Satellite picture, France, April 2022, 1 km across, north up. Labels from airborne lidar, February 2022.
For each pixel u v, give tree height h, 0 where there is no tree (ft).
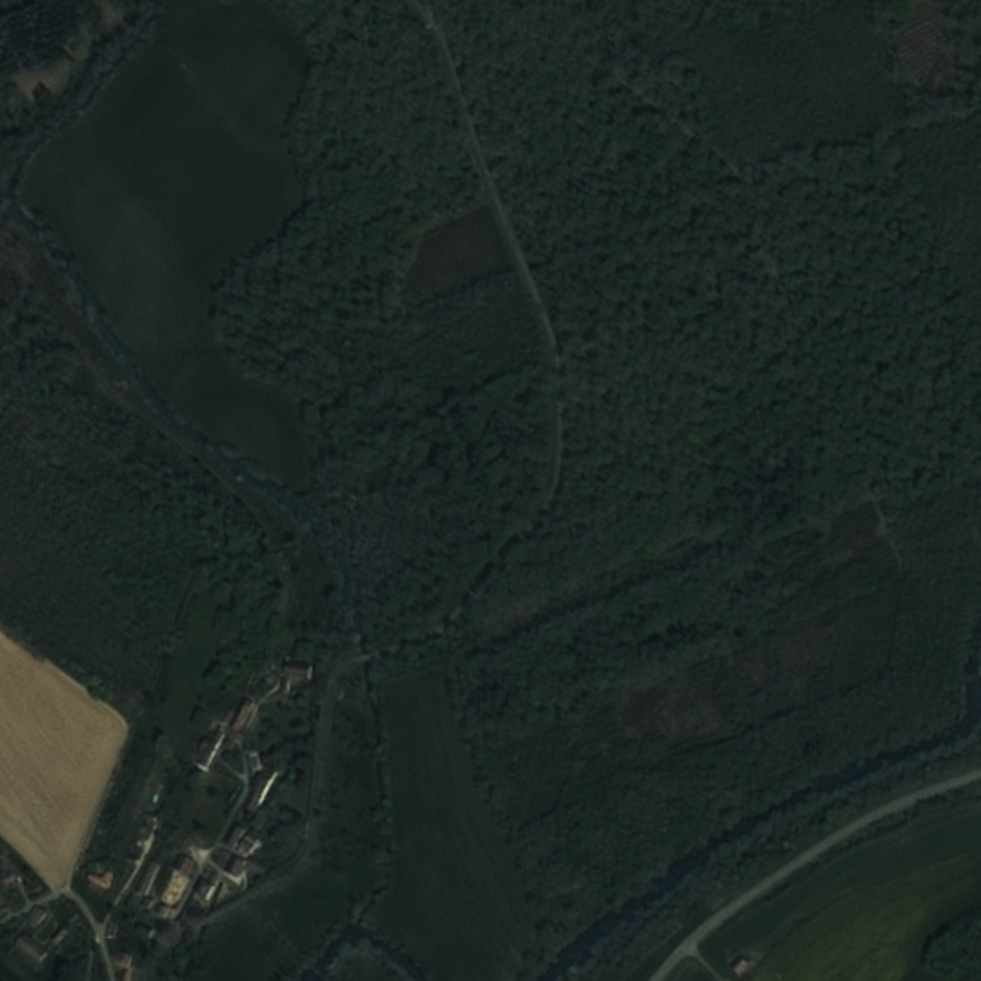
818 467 73
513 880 0
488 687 70
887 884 0
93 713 0
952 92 0
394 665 60
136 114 0
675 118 73
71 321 0
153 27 58
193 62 0
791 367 85
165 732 0
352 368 71
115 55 71
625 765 23
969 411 66
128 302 0
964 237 44
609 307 76
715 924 0
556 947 63
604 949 51
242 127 0
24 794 0
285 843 29
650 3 85
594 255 89
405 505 75
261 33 0
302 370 90
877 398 77
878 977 0
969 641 29
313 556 0
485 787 60
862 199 75
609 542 73
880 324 64
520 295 37
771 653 20
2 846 0
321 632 63
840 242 67
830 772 52
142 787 0
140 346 0
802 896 0
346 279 78
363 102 81
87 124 0
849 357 75
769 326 81
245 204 0
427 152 62
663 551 87
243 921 0
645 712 0
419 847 0
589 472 70
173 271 0
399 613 86
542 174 72
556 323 33
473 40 82
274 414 0
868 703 57
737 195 76
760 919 0
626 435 70
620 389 84
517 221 54
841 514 77
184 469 24
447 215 54
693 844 45
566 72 77
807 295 77
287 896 0
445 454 82
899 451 70
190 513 52
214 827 0
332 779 0
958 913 0
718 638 61
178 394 0
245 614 78
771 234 82
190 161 0
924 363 67
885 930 0
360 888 0
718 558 76
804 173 86
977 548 38
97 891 0
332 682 0
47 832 0
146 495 21
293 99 0
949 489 58
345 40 80
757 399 80
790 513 36
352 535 66
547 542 73
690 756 35
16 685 0
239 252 0
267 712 33
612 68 52
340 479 80
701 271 84
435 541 79
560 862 52
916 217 82
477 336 51
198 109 0
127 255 0
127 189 0
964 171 46
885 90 20
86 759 0
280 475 0
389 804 32
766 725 31
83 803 0
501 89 85
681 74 81
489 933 0
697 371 77
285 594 75
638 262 88
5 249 0
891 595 20
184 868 0
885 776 39
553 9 94
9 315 81
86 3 49
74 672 23
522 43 82
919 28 0
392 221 70
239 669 76
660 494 83
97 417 64
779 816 55
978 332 58
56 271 0
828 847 0
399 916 0
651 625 66
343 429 67
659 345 86
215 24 0
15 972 0
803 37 22
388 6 78
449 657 62
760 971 0
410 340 21
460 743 0
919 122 87
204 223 0
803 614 46
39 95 0
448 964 0
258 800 0
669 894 36
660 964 0
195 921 23
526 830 33
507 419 84
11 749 0
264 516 0
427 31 56
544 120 79
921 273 87
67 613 0
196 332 0
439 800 0
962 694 32
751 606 73
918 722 67
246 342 72
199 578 55
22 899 0
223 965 0
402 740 0
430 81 78
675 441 83
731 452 76
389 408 52
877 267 78
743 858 40
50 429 63
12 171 23
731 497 85
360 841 0
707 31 37
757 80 20
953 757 36
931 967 41
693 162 57
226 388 0
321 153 70
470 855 0
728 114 31
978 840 0
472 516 80
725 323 73
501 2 67
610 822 64
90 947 27
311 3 86
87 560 55
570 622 73
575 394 74
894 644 23
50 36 39
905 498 63
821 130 32
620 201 61
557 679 76
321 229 71
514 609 69
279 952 0
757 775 66
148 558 27
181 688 0
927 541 47
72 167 0
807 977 0
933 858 0
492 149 85
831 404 73
